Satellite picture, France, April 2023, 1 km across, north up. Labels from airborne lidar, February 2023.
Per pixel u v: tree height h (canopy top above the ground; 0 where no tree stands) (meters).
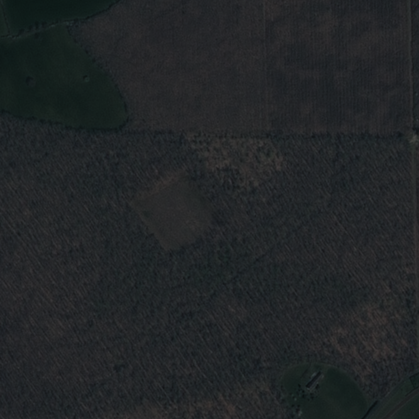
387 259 24
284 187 27
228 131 12
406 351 16
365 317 21
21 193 24
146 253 21
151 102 8
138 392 23
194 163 21
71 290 27
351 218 25
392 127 8
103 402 23
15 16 0
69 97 0
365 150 23
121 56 9
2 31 0
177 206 0
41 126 20
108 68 11
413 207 23
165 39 7
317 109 8
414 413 0
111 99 0
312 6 6
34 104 0
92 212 23
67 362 26
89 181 24
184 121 10
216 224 0
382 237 26
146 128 12
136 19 10
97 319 21
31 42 0
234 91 10
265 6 10
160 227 0
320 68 7
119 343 19
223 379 26
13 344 25
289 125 8
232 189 16
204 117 10
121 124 0
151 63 8
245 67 12
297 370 0
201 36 9
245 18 11
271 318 23
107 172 26
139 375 25
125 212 21
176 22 7
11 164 21
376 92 8
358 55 8
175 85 10
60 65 0
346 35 6
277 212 26
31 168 23
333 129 9
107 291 20
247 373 27
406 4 6
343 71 9
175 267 24
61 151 23
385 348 23
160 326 25
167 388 22
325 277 24
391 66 7
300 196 26
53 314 22
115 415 9
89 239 24
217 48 9
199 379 22
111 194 26
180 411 8
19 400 24
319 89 9
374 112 8
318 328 22
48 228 24
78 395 23
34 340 21
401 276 22
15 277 24
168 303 21
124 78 10
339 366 17
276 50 10
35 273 25
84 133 18
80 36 10
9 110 0
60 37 0
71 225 26
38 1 0
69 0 0
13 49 0
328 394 0
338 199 27
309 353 21
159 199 0
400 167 26
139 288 22
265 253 24
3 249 24
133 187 23
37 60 0
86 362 24
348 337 22
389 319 24
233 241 18
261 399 23
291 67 8
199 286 22
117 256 20
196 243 0
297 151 26
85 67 0
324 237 19
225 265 23
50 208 28
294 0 7
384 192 26
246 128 13
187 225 0
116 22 11
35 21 0
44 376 22
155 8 9
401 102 8
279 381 18
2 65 0
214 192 22
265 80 10
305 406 0
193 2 9
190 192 0
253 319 24
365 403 0
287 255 27
